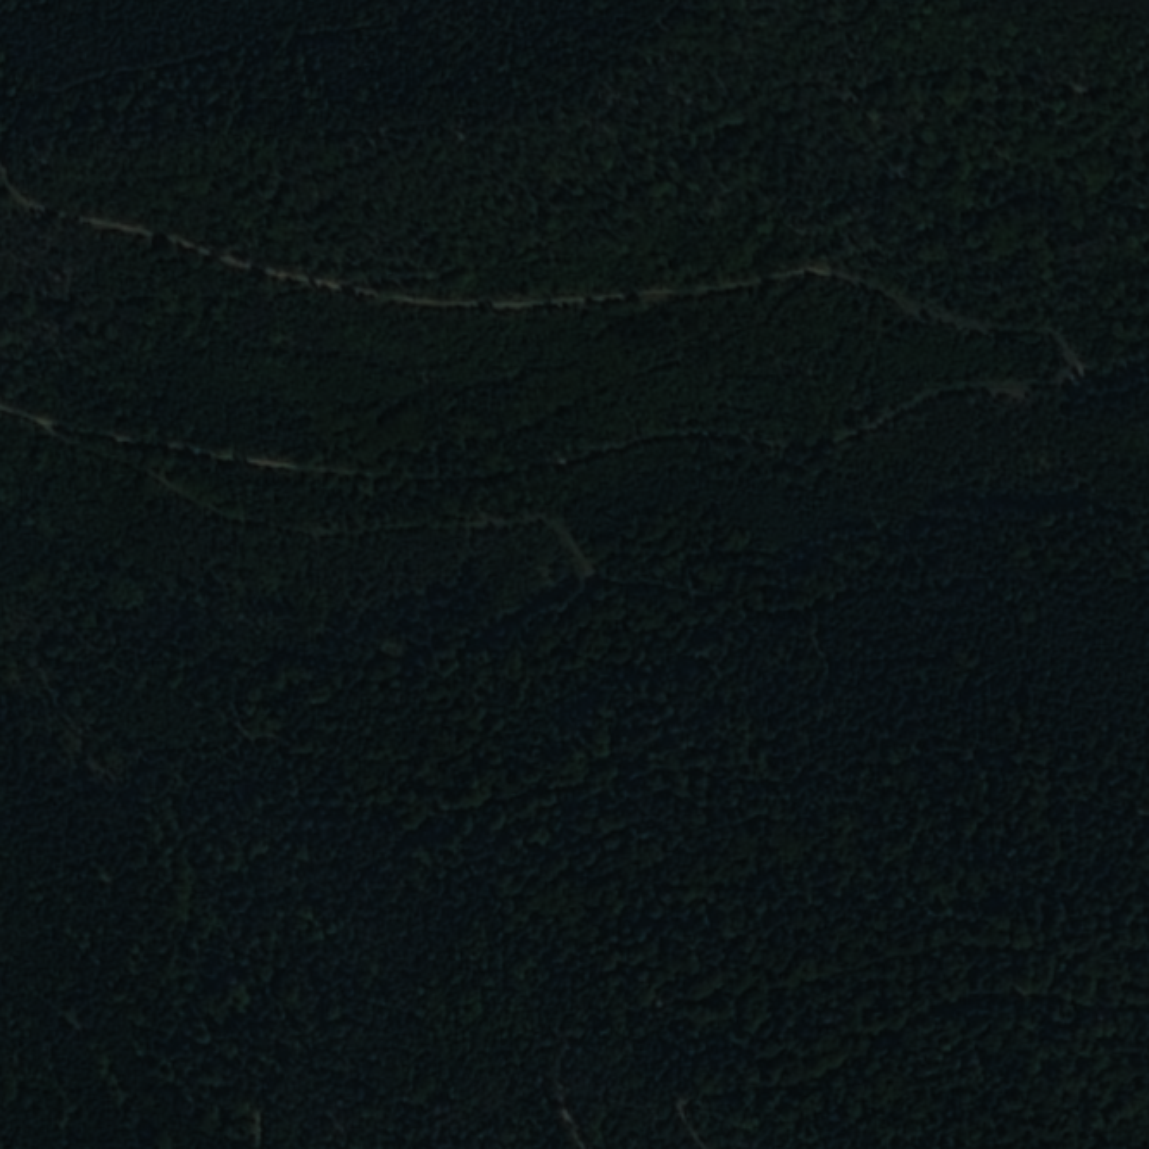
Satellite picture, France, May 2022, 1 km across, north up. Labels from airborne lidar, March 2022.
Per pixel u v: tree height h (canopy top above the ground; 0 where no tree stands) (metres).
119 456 10
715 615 26
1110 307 18
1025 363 16
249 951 37
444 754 12
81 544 14
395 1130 8
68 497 11
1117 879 34
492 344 9
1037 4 14
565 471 18
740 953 34
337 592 15
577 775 11
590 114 23
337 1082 30
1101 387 29
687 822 29
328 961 32
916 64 14
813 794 27
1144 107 14
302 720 20
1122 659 27
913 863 30
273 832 28
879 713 35
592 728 27
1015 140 18
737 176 31
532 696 16
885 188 28
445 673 19
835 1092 21
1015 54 13
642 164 25
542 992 25
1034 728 30
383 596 12
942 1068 19
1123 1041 24
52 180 13
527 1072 15
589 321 13
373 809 10
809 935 28
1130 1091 28
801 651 31
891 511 11
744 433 12
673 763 28
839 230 6
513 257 13
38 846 24
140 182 16
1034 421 10
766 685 35
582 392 11
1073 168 29
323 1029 33
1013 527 31
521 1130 18
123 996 14
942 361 14
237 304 13
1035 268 27
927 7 11
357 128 12
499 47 20
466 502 19
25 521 26
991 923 23
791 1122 16
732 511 17
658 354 7
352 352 7
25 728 29
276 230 14
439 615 30
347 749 17
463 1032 18
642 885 30
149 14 20
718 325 11
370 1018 30
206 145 12
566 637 18
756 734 24
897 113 23
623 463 14
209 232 9
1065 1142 31
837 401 12
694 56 19
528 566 9
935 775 25
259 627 30
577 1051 12
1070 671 27
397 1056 24
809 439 12
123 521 10
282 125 19
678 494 19
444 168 11
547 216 25
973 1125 26
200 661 11
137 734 12
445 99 24
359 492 18
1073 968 25
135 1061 25
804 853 23
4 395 11
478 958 29
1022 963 29
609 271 9
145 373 14
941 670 30
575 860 32
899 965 27
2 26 22
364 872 21
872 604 27
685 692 33
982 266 18
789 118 26
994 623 29
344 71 22
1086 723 26
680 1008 32
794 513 15
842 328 11
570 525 13
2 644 12
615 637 22
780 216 9
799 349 10
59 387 15
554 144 24
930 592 30
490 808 14
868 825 31
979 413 10
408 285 21
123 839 24
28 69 24
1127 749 32
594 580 0
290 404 10
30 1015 23
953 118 7
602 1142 15
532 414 14
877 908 30
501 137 9
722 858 28
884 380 12
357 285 9
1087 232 30
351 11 23
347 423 14
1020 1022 23
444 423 19
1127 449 7
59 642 19
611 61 11
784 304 10
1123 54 11
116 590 26
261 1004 34
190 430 11
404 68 18
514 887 29
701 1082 25
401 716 16
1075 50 12
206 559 13
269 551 13
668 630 17
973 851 20
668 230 11
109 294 13
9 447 11
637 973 31
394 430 19
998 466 12
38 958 19
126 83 27
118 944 21
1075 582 27
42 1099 21
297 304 12
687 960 34
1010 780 30
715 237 17
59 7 23
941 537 30
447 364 9
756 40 19
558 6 22
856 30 13
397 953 33
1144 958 30
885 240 25
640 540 15
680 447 16
